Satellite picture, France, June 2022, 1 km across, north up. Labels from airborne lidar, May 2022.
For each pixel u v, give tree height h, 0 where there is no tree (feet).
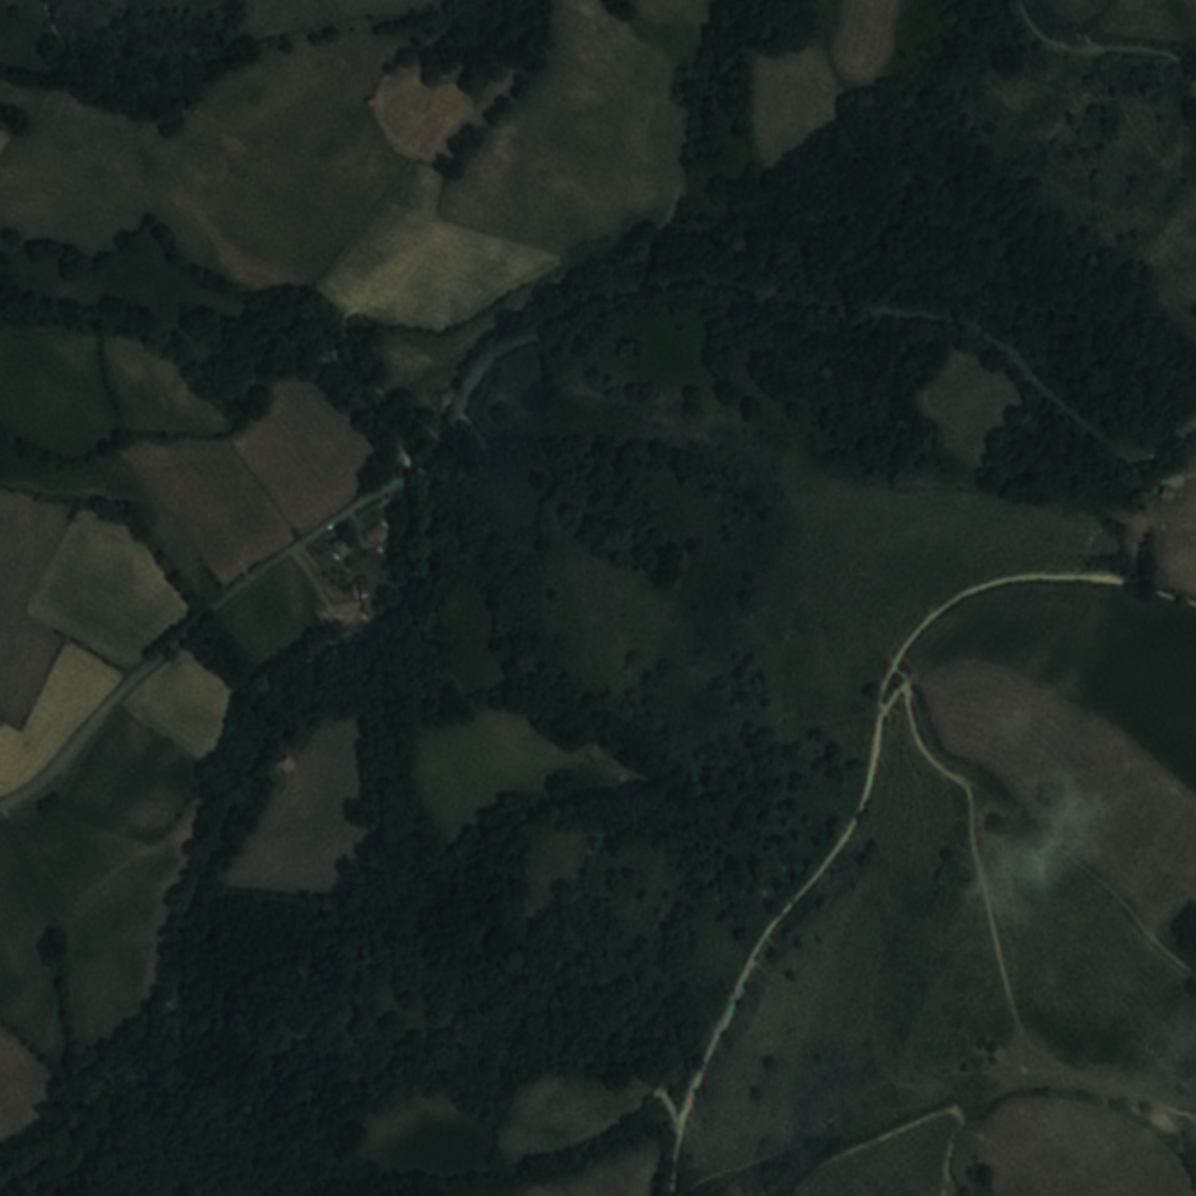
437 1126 0
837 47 0
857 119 76
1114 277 52
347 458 0
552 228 0
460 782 0
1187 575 0
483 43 95
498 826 78
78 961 0
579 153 0
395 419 54
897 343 22
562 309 25
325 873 0
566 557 0
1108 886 0
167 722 0
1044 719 0
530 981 48
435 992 43
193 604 46
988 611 0
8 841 0
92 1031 0
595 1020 62
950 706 0
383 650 62
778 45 70
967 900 0
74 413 0
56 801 35
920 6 0
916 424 54
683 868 48
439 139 0
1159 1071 0
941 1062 0
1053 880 0
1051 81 0
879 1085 0
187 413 0
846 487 0
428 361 0
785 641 0
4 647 0
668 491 0
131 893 0
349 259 0
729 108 79
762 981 0
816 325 63
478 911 62
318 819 0
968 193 74
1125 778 0
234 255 0
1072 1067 0
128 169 0
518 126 0
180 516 0
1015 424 50
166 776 0
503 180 0
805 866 28
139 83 91
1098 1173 0
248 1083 67
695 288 66
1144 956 0
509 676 45
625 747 74
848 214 66
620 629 0
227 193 0
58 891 0
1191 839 0
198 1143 28
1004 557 0
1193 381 59
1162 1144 0
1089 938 0
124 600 0
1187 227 0
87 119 0
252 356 61
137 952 0
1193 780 0
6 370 0
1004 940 0
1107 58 26
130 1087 65
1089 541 0
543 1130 0
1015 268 90
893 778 0
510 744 0
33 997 0
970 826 0
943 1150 0
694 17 0
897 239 75
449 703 71
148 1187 34
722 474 22
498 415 41
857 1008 0
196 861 47
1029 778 0
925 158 88
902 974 0
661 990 35
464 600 0
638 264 57
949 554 0
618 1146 45
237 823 54
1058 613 0
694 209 28
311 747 0
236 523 0
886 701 0
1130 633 0
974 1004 0
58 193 0
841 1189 0
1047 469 39
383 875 96
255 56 51
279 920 62
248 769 37
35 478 0
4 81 39
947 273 90
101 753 0
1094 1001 0
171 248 31
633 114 0
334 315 75
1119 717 0
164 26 40
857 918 0
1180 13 0
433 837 37
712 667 0
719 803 56
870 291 63
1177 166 0
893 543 0
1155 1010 0
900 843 0
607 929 39
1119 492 38
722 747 28
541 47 71
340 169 0
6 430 20
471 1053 69
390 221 0
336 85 0
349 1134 63
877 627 0
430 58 52
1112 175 0
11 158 0
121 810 0
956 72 83
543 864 0
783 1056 0
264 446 0
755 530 0
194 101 71
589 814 87
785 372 84
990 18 42
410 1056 51
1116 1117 0
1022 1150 0
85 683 0
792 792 30
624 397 37
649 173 0
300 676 57
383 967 62
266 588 0
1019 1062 0
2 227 0
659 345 0
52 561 0
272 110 0
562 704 67
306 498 0
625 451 39
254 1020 81
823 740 25
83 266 64
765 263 34
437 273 0
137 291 0
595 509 26
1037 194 49
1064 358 69
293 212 0
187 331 58
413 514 83
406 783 33
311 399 0
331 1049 33
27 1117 0
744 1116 0
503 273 0
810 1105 0
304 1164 65
